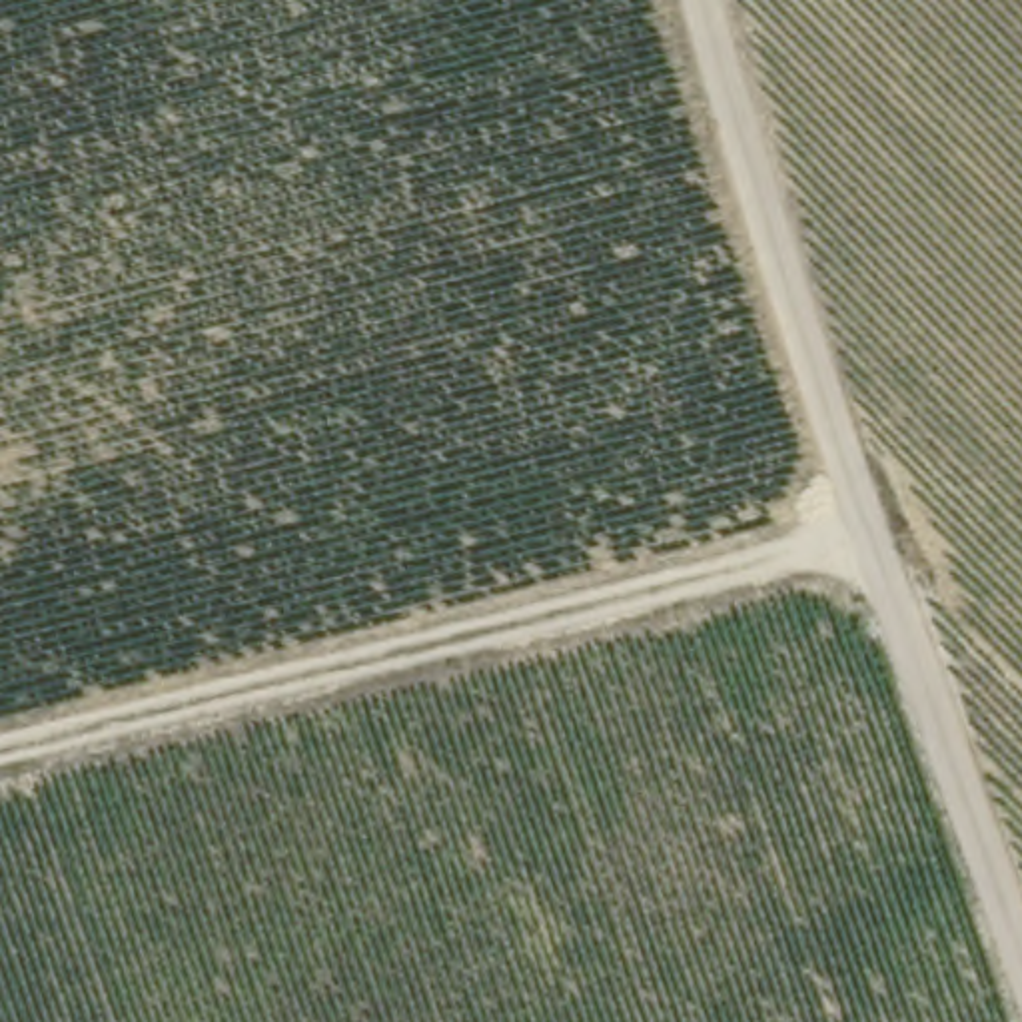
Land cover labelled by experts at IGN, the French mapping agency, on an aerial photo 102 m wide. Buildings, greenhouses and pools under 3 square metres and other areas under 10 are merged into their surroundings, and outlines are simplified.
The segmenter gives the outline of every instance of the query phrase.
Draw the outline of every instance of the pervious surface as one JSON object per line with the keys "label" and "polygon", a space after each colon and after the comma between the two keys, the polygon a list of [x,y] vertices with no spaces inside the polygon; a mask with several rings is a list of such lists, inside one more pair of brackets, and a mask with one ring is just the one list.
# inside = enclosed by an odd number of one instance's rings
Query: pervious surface
{"label": "pervious surface", "polygon": [[942,806],[942,822],[950,830],[958,866],[970,882],[974,922],[998,970],[1010,1022],[1022,1022],[1022,874],[1018,854],[1010,850],[1010,834],[998,826],[986,786],[974,770],[970,747],[978,735],[966,723],[962,687],[950,675],[950,655],[942,647],[942,635],[934,631],[926,591],[922,583],[914,583],[914,571],[902,567],[894,551],[894,535],[886,527],[878,491],[858,451],[846,387],[830,355],[822,311],[814,303],[806,256],[798,248],[798,224],[786,212],[790,180],[778,164],[774,104],[763,92],[755,92],[743,76],[743,60],[731,36],[731,0],[679,0],[695,64],[707,88],[707,104],[715,116],[719,148],[731,172],[731,188],[743,212],[743,232],[755,252],[751,275],[767,291],[767,307],[755,315],[759,335],[767,343],[767,359],[778,371],[778,395],[798,443],[810,439],[818,451],[814,479],[802,491],[786,487],[786,495],[798,503],[798,527],[782,539],[759,535],[743,551],[727,551],[699,563],[671,563],[651,575],[583,591],[559,591],[547,599],[515,591],[459,607],[407,607],[407,615],[395,623],[363,627],[319,643],[291,639],[283,651],[244,651],[240,659],[200,663],[184,675],[152,675],[120,691],[92,687],[76,703],[0,719],[0,767],[20,759],[56,759],[60,767],[84,767],[92,763],[92,755],[136,759],[160,743],[212,735],[236,715],[287,715],[303,699],[335,695],[339,687],[375,675],[411,671],[423,663],[495,647],[527,647],[535,639],[555,635],[599,631],[679,599],[719,595],[751,583],[778,583],[790,571],[826,571],[862,591],[870,603],[870,615],[862,623],[866,635],[878,639],[890,659],[910,735],[930,774],[930,794]]}

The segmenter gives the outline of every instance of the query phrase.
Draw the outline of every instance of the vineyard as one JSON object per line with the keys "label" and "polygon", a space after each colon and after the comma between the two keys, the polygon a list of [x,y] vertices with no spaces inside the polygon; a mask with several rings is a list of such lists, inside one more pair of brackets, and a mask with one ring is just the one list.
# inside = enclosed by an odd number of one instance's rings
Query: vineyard
{"label": "vineyard", "polygon": [[755,92],[763,92],[774,104],[778,164],[790,180],[786,212],[798,224],[798,248],[806,256],[814,303],[822,311],[830,355],[846,387],[858,451],[878,491],[886,527],[894,535],[894,551],[902,567],[914,571],[914,583],[922,583],[926,591],[934,631],[942,635],[942,647],[950,655],[950,675],[962,687],[966,723],[978,735],[970,747],[974,770],[986,786],[998,826],[1010,834],[1010,850],[1018,854],[1022,874],[1022,0],[731,0],[731,36],[743,60],[743,76]]}
{"label": "vineyard", "polygon": [[818,451],[810,439],[798,443],[778,395],[778,371],[767,359],[767,343],[759,335],[755,315],[767,307],[767,291],[751,275],[755,252],[743,232],[743,212],[731,188],[731,172],[719,148],[715,116],[707,104],[707,88],[695,64],[679,0],[0,0],[0,719],[76,703],[92,687],[120,691],[152,675],[184,675],[200,663],[240,659],[244,651],[283,651],[291,639],[319,643],[363,627],[395,623],[407,615],[407,607],[459,607],[515,591],[547,599],[559,591],[583,591],[651,575],[671,563],[699,563],[727,551],[743,551],[759,535],[782,539],[798,527],[798,503],[786,495],[786,487],[802,491],[814,479]]}
{"label": "vineyard", "polygon": [[527,647],[495,647],[423,663],[411,671],[375,675],[339,687],[335,695],[303,699],[287,715],[236,715],[212,735],[160,743],[136,759],[92,755],[92,763],[84,767],[60,767],[56,759],[20,759],[0,767],[0,1022],[1010,1022],[998,970],[974,922],[970,882],[958,866],[950,830],[942,822],[942,806],[930,794],[930,774],[910,735],[890,659],[878,639],[866,635],[862,623],[870,615],[870,603],[862,591],[826,571],[790,571],[778,583],[751,583],[719,595],[679,599],[599,631],[555,635],[535,639]]}

